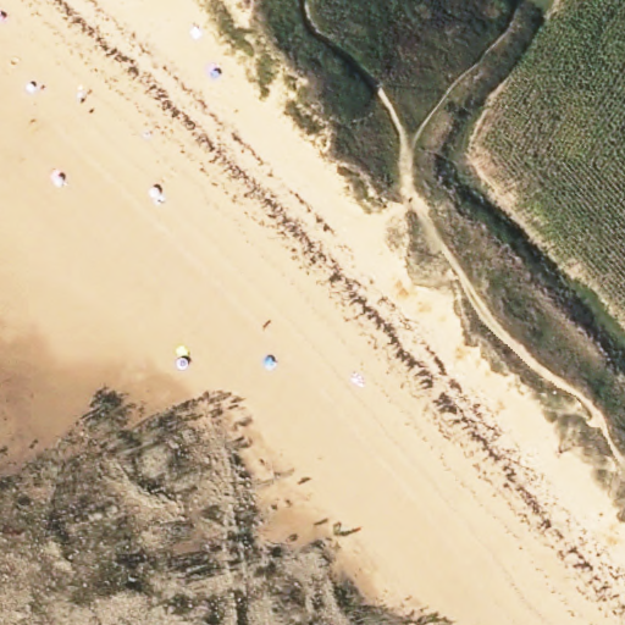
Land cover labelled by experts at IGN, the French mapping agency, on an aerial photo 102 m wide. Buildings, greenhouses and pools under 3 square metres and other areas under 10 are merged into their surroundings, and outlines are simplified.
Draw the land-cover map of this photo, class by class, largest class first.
<instances>
[{"label":"bare soil","instance_id":"1","mask_svg":"<svg viewBox=\"0 0 625 625\"><path fill-rule=\"evenodd\" d=\"M259 0H0V625H625V522L618 520L613 498L596 483L591 464H586L588 457L596 454L610 457V449L601 430L591 427L581 415L566 413V405L574 403V398L562 388L542 381L527 364H522V359L510 347H505L481 322L471 300H461L469 327L461 330L459 317L452 308V295L447 291L420 288L410 281L405 271V259L386 242L388 229H410V251L420 264L432 261V249L427 247V237L422 232L417 212H405L398 203L403 193L398 183L386 193H378L374 188V178L359 164L334 159L332 125L330 117H325V105L320 100L317 83L295 71L288 63L286 54L276 49L273 37H269L266 32L264 15L256 10ZM452 205V203H449V200H430V203H427V208H430V217H432V222H435V225L439 222V220H444V217H447V208ZM532 298L549 315V320L569 337V342L591 361L598 359L603 352L586 334L583 327H579L559 308L554 305L552 295L542 288H537Z\"/></svg>","mask_w":625,"mask_h":625},{"label":"herbaceous vegetation","instance_id":"2","mask_svg":"<svg viewBox=\"0 0 625 625\"><path fill-rule=\"evenodd\" d=\"M256 10L264 15L266 32L269 37H273L276 49L286 54L288 63L295 71L317 83L320 100L325 105V117H330L332 125L334 159L359 164L374 178V188L378 193H386L398 183L400 142L386 107L378 100V90H386L408 129V144L413 149L415 190L427 203H430V200H449V203H452V205L447 208V217H444V220H439V222L435 225L437 234L454 251L464 273L476 286L479 295L488 303L498 322L515 339H520L540 364H544L564 381L586 388L593 403L603 410L618 439V447L625 454V374L605 364L603 352L598 359L591 361L569 342V337L549 320V315L532 298L537 288H542L552 295L554 305L559 308L566 298L581 295L596 313V322L605 325L610 334H620V342L625 344V330L618 325L615 317L608 315V310L601 305L593 291L581 286L576 278L562 273L557 281L544 286L542 276L530 273V266L510 249V244H496V237L491 234L486 222H474L457 212V190L447 188L442 183V176L435 173V156L439 154L442 159L454 161L459 166L466 164L469 134L479 112L486 105L488 93L500 83L491 73V68H496L503 61V49L522 29L520 12L510 7L505 0H259Z\"/></svg>","mask_w":625,"mask_h":625},{"label":"agricultural land","instance_id":"3","mask_svg":"<svg viewBox=\"0 0 625 625\"><path fill-rule=\"evenodd\" d=\"M459 173L471 186H481V190H486V195L530 237L535 247H540L557 264L562 273L576 278L581 286L593 291L601 305L608 310V315L615 317L618 325L625 330V0H552V5L544 10V22L537 37L532 39L527 54L522 56L520 66L500 83L488 93L486 105L479 112L469 134L466 164L459 166Z\"/></svg>","mask_w":625,"mask_h":625},{"label":"pervious surface","instance_id":"4","mask_svg":"<svg viewBox=\"0 0 625 625\"><path fill-rule=\"evenodd\" d=\"M378 100L386 107L400 142L398 183L403 193L398 203L405 212H417L422 232L427 237V247L432 249V261L420 264L410 251V229H388L386 242L405 259V271L410 281L420 288L447 291L452 295V308L459 317L461 330L469 327L461 300H471L481 322L505 347H510L522 359V364H527L542 381L562 388L574 398V403L566 405V413L581 415L591 427L601 430L610 449V457L596 454L588 457L586 464H591L596 483L613 498L618 520L625 522V454L618 447V439L603 410L593 403L586 388L564 381L544 364H540L520 339H515L498 322L488 303L479 295L476 286L464 273L454 251L437 234L435 225V222H432V217H430V208H427V203L415 190L413 149L408 144V129L386 90H378Z\"/></svg>","mask_w":625,"mask_h":625},{"label":"brushwood","instance_id":"5","mask_svg":"<svg viewBox=\"0 0 625 625\"><path fill-rule=\"evenodd\" d=\"M510 7L520 12L522 29L503 49V61L496 68H491V73L500 83L520 66L522 56L527 54L532 39L537 37L544 22V10L552 5V0H505ZM435 173L442 176V183L447 188L457 190V212L474 222H486L491 234L496 237V244H510V249L530 266V273L542 276L544 286L557 281L562 273L557 264L540 247H535L530 237L486 195V190H481V186H471L459 173V166L454 161L442 159L439 154L435 156ZM559 308L579 327H583L586 334L603 352L605 364L625 374V344L620 342V334H610L605 325L596 322V313L581 295L566 298Z\"/></svg>","mask_w":625,"mask_h":625}]
</instances>
